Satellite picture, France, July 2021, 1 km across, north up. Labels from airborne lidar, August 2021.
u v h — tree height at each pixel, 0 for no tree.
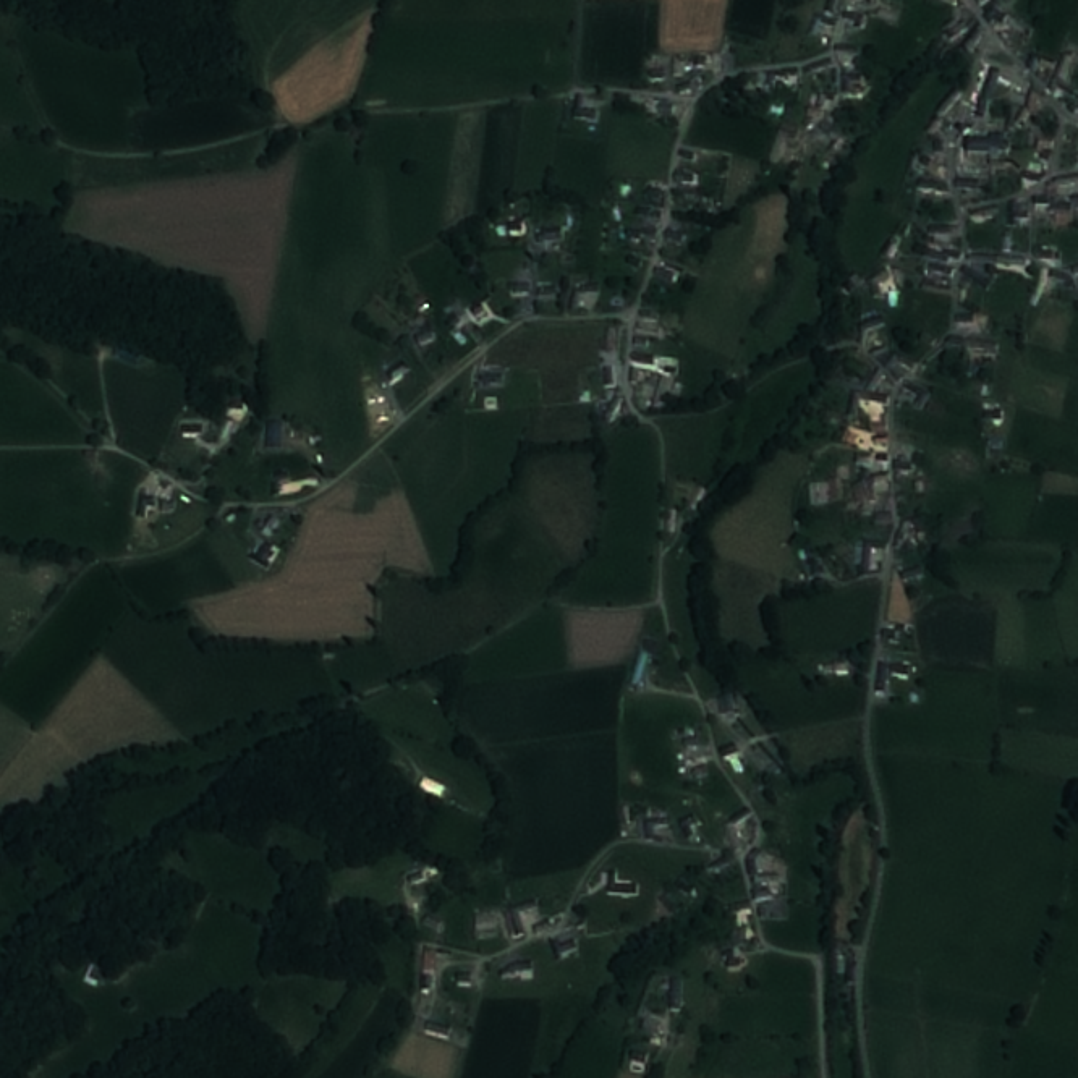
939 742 0
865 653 17
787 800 0
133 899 22
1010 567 0
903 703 10
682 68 0
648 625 0
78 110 0
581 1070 0
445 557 0
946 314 0
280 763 22
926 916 0
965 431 0
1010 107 8
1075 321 0
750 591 0
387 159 0
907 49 0
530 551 0
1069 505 0
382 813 26
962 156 0
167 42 20
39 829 24
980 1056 0
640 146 0
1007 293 0
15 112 0
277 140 16
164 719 0
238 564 0
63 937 17
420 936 19
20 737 0
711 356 0
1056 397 0
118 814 0
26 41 0
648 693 0
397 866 0
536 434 0
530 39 0
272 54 0
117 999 0
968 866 0
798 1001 0
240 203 0
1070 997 0
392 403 0
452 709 10
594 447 14
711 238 6
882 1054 0
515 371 0
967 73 9
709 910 15
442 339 8
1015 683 0
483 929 0
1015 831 0
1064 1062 0
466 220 7
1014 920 0
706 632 20
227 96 20
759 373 15
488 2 0
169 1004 0
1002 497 0
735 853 9
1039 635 0
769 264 0
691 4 0
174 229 0
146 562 0
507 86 0
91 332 23
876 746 0
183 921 20
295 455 0
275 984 0
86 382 0
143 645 0
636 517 0
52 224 19
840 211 14
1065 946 0
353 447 0
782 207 0
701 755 0
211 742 14
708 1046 6
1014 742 0
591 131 0
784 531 0
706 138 0
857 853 0
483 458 0
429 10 0
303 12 0
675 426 0
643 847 0
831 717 0
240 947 0
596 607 0
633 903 0
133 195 0
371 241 0
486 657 0
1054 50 0
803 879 0
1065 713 0
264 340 10
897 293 0
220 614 0
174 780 11
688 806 0
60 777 0
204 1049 27
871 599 0
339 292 0
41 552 21
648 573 0
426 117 8
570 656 0
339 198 0
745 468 15
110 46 17
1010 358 0
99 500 0
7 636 0
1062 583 7
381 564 0
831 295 14
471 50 0
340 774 25
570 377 0
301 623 0
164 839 23
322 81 0
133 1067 20
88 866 19
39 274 24
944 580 9
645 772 0
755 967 0
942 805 0
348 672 0
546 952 0
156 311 16
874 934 0
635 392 0
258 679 0
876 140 14
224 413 15
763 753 0
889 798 0
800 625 0
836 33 0
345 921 30
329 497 0
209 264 0
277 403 0
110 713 0
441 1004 0
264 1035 25
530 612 0
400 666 0
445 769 0
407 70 0
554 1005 0
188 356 18
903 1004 0
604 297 0
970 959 0
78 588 0
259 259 0
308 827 17
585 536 0
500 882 0
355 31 0
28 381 0
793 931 0
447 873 11
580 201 9
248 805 28
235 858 0
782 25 6
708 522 14
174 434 0
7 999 20
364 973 18
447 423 0
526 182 0
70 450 0
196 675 0
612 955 0
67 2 23
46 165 0
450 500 0
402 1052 0
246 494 12
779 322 0
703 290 0
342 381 0
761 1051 0
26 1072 11
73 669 0
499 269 0
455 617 0
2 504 0
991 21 9
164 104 18
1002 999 0
